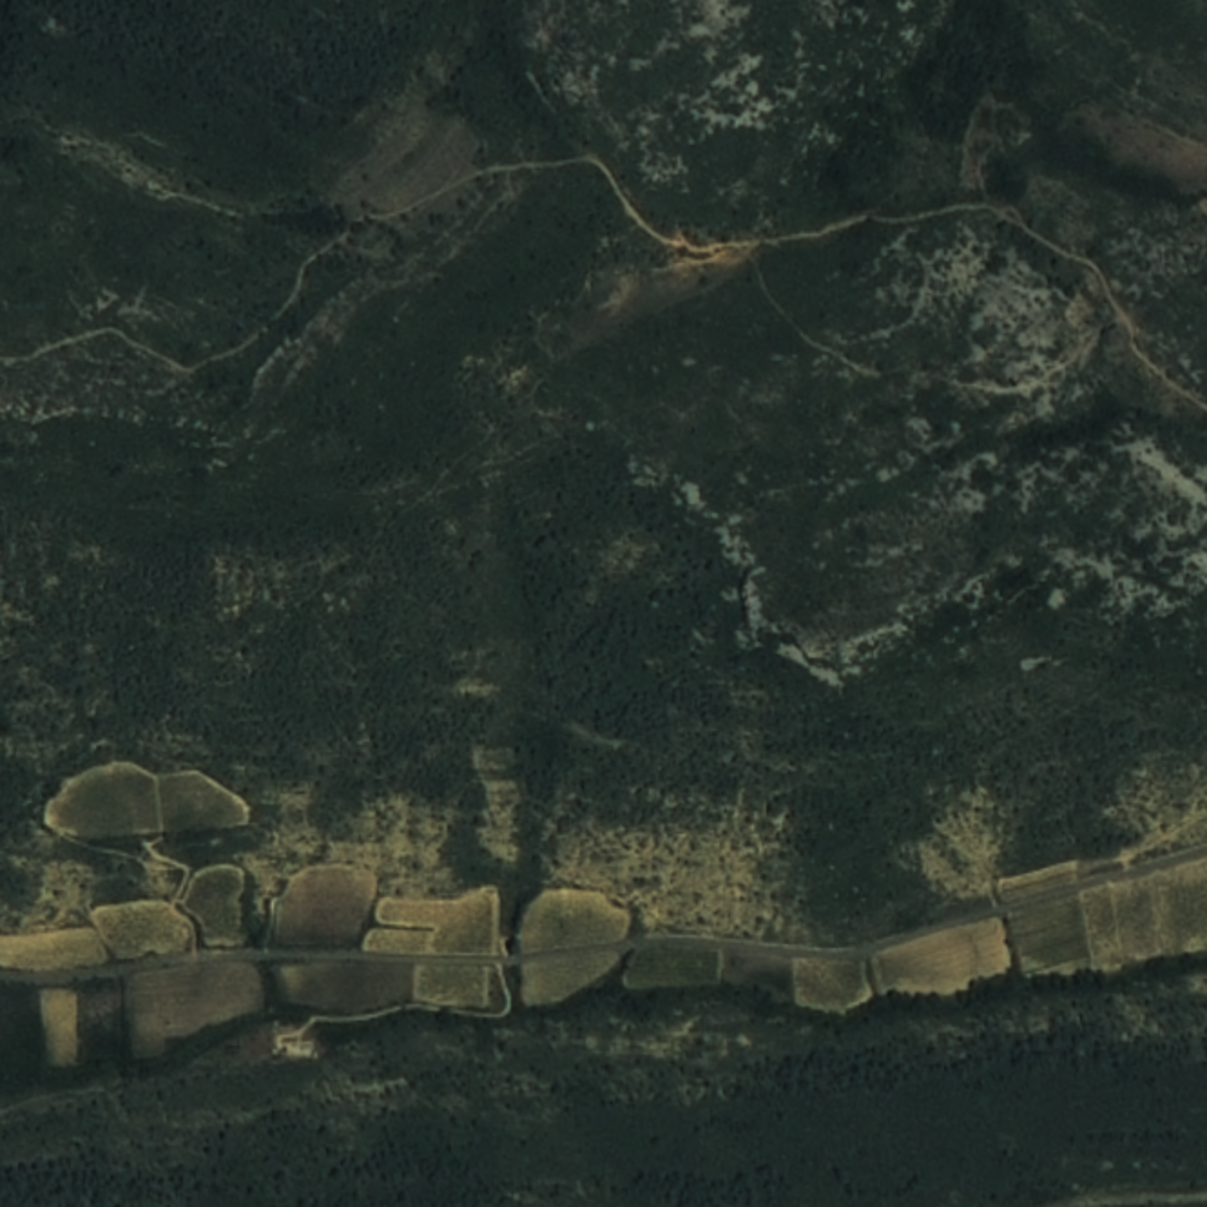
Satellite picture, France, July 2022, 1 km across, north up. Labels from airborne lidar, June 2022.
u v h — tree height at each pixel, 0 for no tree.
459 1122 9
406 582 8
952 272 0
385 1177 10
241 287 7
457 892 0
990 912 0
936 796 7
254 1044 0
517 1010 9
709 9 0
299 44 7
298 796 0
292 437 0
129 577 8
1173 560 6
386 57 7
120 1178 8
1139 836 6
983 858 0
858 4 7
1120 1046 8
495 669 0
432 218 6
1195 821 0
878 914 0
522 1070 0
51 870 0
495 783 0
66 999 0
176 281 0
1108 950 0
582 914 0
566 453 8
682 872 0
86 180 0
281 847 0
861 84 6
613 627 7
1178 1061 8
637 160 0
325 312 0
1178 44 0
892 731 8
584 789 11
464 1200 7
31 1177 9
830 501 0
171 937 0
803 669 0
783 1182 10
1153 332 0
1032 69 7
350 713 6
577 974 0
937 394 0
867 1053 7
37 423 8
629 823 6
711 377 0
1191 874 0
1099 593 6
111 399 0
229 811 0
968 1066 9
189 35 8
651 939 0
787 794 8
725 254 0
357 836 0
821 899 0
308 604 6
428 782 5
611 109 0
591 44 0
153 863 0
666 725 7
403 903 0
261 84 7
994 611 9
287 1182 10
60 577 9
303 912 0
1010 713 7
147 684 6
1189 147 0
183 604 7
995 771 9
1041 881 0
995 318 0
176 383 0
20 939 0
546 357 0
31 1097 0
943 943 0
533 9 0
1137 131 0
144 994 0
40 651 6
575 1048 0
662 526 10
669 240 0
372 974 0
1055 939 0
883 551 0
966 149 0
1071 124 0
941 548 0
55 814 0
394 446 8
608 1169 0
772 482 0
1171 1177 0
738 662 11
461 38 7
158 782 0
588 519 9
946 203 7
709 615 12
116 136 0
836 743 11
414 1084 7
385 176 0
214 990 0
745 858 0
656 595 8
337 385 7
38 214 0
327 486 0
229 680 7
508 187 0
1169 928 0
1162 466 0
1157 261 0
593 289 0
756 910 0
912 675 9
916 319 0
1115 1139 6
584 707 9
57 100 0
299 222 7
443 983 0
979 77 7
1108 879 0
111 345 0
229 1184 6
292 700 6
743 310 0
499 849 0
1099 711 5
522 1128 0
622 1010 8
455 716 8
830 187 7
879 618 0
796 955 0
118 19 8
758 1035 0
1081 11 0
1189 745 7
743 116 0
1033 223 8
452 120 0
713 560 10
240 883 0
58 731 9
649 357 0
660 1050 0
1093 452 6
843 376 0
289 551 6
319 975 0
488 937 0
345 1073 0
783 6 0
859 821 8
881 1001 12
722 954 0
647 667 9
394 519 8
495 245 0
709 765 6
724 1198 7
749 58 0
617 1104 7
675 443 0
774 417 0
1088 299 0
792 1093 12
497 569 0
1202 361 0
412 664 7
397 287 0
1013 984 13
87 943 0
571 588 7
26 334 0
